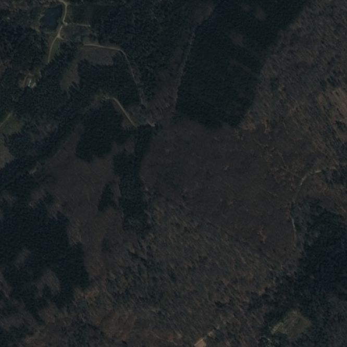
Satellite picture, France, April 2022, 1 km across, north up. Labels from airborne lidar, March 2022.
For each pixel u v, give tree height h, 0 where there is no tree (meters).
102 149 21
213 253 22
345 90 14
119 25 24
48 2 16
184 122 13
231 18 25
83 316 24
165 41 5
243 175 12
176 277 26
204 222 20
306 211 29
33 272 27
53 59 0
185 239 24
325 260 19
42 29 14
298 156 11
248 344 27
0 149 0
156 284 22
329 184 23
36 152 24
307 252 20
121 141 20
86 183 12
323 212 26
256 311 29
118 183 16
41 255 25
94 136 19
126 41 27
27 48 20
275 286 21
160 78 14
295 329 0
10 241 28
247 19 25
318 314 28
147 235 29
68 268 25
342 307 21
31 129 26
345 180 23
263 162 8
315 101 17
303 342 16
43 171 10
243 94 13
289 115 17
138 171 27
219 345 22
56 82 28
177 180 13
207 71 13
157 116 27
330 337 27
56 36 0
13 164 0
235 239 21
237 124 13
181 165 13
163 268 22
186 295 23
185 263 22
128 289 23
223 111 10
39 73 0
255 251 22
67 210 13
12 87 22
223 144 10
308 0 25
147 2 25
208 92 17
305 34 28
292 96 27
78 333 16
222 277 23
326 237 24
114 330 0
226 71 17
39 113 23
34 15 21
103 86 25
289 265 23
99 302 25
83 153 18
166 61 7
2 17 17
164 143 11
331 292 28
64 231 27
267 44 22
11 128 0
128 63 22
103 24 24
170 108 7
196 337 26
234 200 6
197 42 15
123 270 22
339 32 29
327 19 27
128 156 14
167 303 24
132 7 19
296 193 10
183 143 13
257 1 26
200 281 25
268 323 19
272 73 27
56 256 27
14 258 25
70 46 25
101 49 0
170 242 25
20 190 29
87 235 11
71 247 26
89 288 25
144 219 27
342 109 0
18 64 19
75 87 0
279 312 13
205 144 11
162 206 22
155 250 25
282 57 28
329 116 14
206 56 14
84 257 20
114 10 7
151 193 6
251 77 10
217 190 12
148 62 17
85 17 9
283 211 8
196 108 21
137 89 23
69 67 24
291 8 27
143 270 23
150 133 22
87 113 19
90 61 0
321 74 29
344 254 23
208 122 20
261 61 13
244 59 18
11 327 21
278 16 28
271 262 24
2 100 19
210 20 15
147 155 23
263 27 26
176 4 9
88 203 12
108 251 9
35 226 27
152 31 16
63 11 0
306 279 25
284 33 14
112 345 21
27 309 16
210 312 20
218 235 23
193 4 7
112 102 11
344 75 18
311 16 26
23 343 17
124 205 25
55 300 26
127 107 29
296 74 29
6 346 26
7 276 30
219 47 18
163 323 22
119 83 22
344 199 26
